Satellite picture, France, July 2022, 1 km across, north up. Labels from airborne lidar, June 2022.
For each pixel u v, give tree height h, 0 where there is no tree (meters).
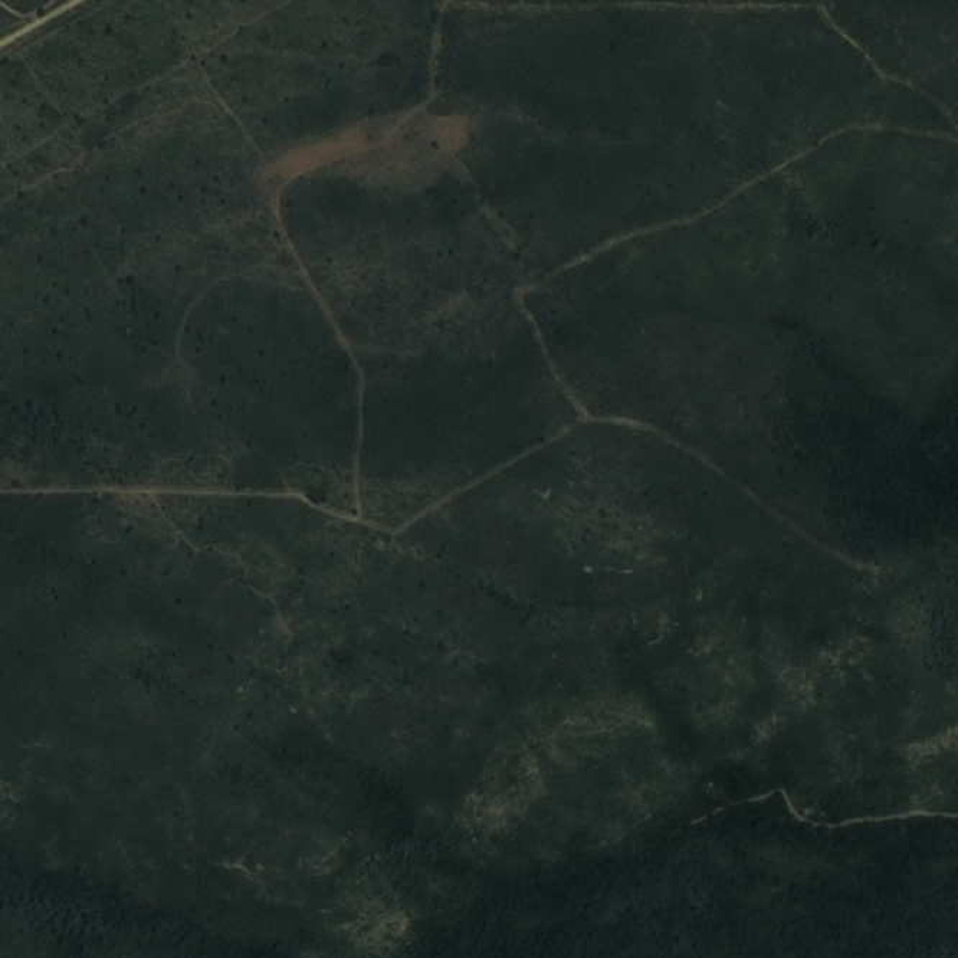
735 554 0
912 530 7
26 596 0
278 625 0
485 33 0
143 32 0
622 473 0
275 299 0
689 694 9
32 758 0
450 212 0
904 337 0
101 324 0
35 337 0
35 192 0
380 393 0
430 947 9
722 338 0
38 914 10
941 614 10
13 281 0
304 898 0
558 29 0
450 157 0
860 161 0
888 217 0
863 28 0
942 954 10
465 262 0
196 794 0
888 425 6
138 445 0
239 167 0
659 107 0
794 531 0
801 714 0
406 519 0
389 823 9
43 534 0
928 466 9
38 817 0
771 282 0
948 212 0
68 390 0
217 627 0
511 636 0
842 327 0
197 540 0
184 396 0
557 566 0
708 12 0
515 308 0
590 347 0
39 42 0
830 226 7
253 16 0
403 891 7
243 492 0
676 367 0
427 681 0
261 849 0
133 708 0
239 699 0
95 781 0
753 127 0
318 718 0
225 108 0
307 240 0
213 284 0
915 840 14
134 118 0
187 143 0
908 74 0
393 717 0
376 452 0
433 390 0
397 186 0
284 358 0
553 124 0
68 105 0
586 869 6
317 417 0
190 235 0
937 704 0
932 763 0
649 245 0
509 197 0
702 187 0
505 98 0
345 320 0
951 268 0
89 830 0
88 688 0
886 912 7
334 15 0
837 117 0
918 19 0
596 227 0
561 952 6
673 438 0
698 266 0
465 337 0
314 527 0
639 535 0
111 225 0
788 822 8
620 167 0
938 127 0
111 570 0
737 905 6
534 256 0
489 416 0
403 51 0
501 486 0
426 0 0
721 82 0
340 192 0
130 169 0
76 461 0
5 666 0
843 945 7
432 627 0
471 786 0
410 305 0
